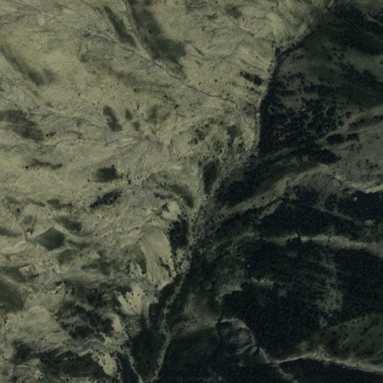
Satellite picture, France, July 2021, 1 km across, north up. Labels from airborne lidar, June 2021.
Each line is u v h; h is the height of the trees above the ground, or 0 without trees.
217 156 0
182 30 0
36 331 0
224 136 0
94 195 0
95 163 0
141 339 8
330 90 20
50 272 0
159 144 0
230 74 0
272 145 9
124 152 0
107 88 0
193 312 0
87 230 0
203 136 6
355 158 0
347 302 10
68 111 0
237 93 0
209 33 0
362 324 0
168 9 0
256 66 0
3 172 0
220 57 0
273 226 14
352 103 0
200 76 0
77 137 0
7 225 0
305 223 11
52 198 0
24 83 0
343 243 0
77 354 8
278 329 16
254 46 0
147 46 0
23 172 0
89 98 0
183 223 10
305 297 10
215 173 7
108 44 0
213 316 0
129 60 0
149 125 0
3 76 0
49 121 0
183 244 8
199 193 0
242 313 10
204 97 0
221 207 5
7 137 0
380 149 0
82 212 0
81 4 0
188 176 0
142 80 0
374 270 12
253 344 0
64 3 0
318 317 7
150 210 0
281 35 0
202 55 0
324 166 0
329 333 0
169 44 0
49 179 0
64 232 0
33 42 0
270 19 0
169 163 0
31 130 0
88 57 0
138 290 0
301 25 0
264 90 0
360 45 9
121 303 0
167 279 0
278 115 12
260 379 15
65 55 0
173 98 0
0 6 0
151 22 0
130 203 0
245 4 0
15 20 0
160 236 0
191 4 0
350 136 11
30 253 0
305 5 0
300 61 0
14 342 0
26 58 0
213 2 0
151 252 0
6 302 0
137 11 0
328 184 0
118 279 0
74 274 0
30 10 0
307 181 0
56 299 0
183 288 5
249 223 11
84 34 0
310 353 0
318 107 8
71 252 0
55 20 0
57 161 0
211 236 6
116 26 0
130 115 0
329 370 8
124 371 6
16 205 0
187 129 0
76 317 0
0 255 0
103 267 0
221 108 0
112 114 0
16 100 0
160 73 0
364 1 0
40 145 0
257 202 0
